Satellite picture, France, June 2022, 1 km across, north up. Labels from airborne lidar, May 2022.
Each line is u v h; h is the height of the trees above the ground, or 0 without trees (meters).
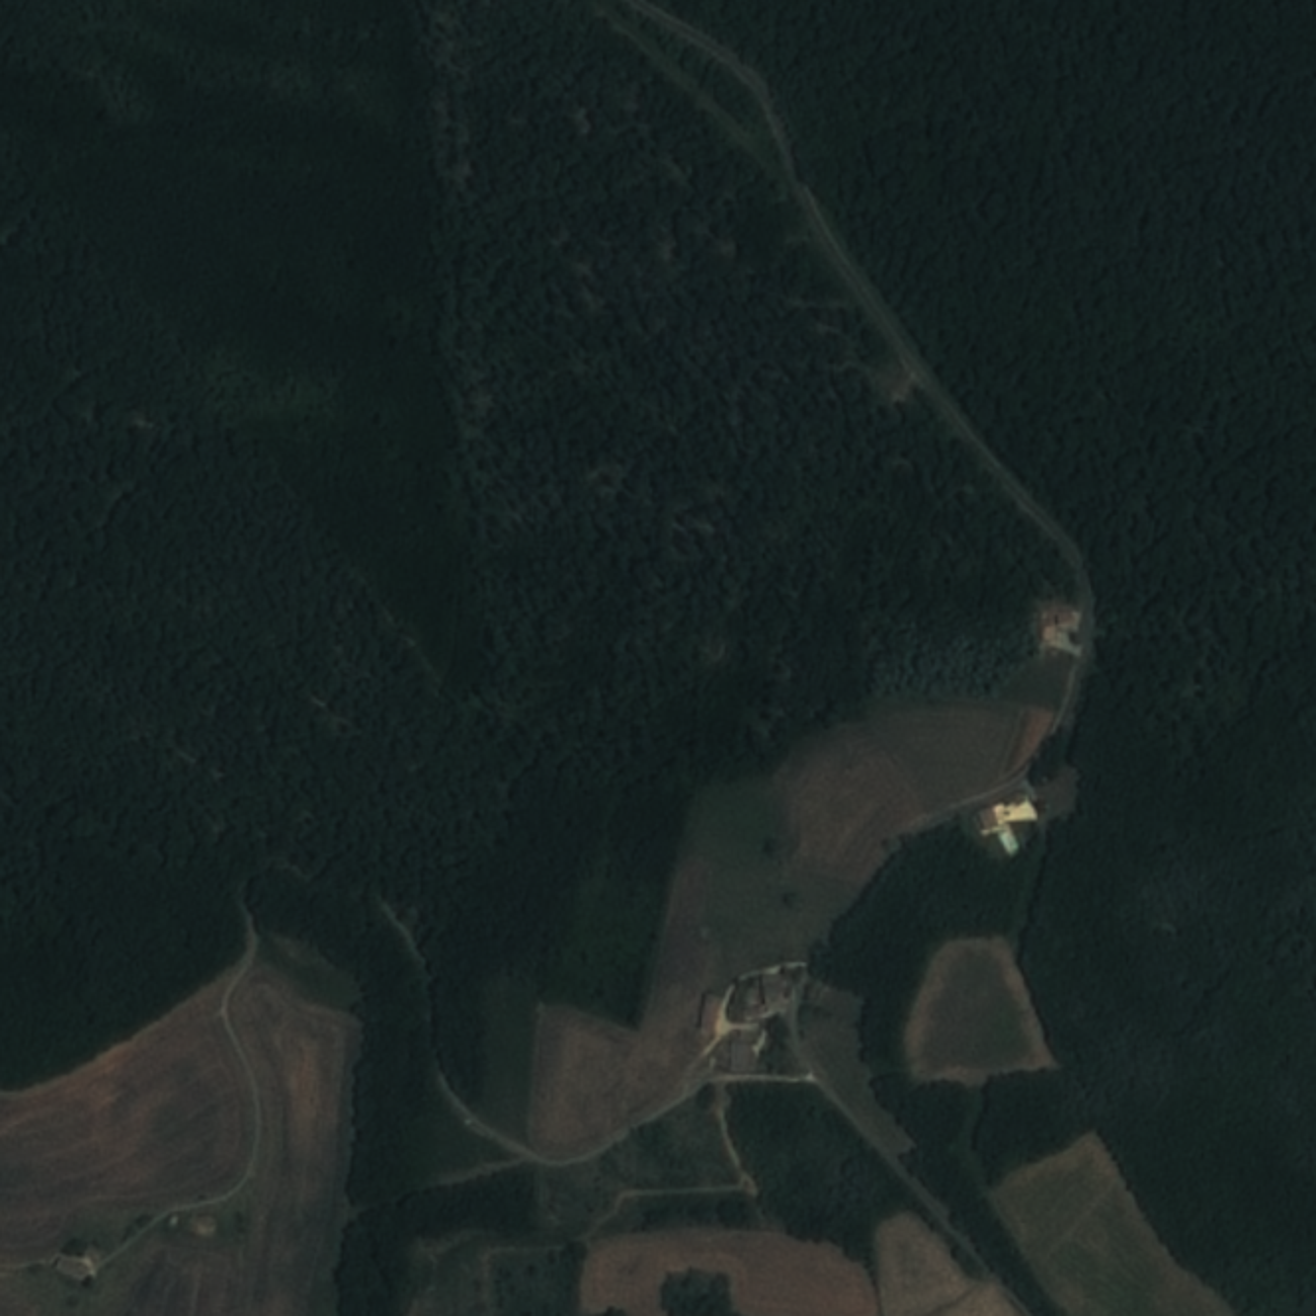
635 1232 6
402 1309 20
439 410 8
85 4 11
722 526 29
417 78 9
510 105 17
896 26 23
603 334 6
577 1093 0
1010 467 25
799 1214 9
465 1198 7
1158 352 18
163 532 22
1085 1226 0
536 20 9
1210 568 20
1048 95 27
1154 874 19
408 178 7
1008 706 0
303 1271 0
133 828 29
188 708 26
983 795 0
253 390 10
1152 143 19
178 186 12
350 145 11
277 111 8
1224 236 12
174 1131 0
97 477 22
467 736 28
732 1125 8
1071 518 11
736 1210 15
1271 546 26
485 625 8
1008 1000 0
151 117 7
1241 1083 11
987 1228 18
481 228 8
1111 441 27
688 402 26
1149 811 23
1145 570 26
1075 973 14
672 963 0
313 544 21
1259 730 11
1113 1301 0
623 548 25
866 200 25
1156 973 10
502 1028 0
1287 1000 15
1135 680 26
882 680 22
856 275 0
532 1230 12
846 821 0
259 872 22
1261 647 33
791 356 27
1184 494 29
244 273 10
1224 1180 16
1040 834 9
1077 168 27
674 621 23
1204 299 14
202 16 8
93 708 18
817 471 24
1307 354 26
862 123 15
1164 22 26
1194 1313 0
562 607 7
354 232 11
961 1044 0
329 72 10
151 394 14
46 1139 0
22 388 23
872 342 21
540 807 28
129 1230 6
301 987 0
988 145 12
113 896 24
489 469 24
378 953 15
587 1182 0
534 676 9
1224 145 22
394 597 7
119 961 24
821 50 13
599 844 20
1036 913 16
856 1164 12
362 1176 14
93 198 15
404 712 22
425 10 22
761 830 0
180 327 8
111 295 10
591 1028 0
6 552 20
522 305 25
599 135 20
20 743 23
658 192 12
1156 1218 14
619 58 11
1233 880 16
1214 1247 13
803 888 0
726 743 10
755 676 9
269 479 18
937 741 0
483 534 23
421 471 13
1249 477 23
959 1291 0
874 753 0
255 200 14
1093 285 14
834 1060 0
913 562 6
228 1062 0
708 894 0
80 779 20
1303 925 12
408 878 25
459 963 20
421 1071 24
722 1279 7
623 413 6
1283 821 7
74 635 21
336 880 26
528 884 22
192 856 19
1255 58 23
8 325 21
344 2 6
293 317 11
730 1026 0
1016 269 25
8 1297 0
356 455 9
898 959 18
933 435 21
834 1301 0
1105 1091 16
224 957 14
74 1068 10
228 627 18
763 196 7
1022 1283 16
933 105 14
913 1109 14
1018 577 19
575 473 27
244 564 19
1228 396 20
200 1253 0
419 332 11
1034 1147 10
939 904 18
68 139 11
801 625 14
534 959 19
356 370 8
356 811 23
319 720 21
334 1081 0
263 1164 0
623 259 26
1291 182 29
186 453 24
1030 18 25
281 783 25
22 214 27
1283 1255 15
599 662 6
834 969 17
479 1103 11
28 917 24
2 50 7
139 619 18
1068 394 29
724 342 28
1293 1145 14
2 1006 8
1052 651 0
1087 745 21
